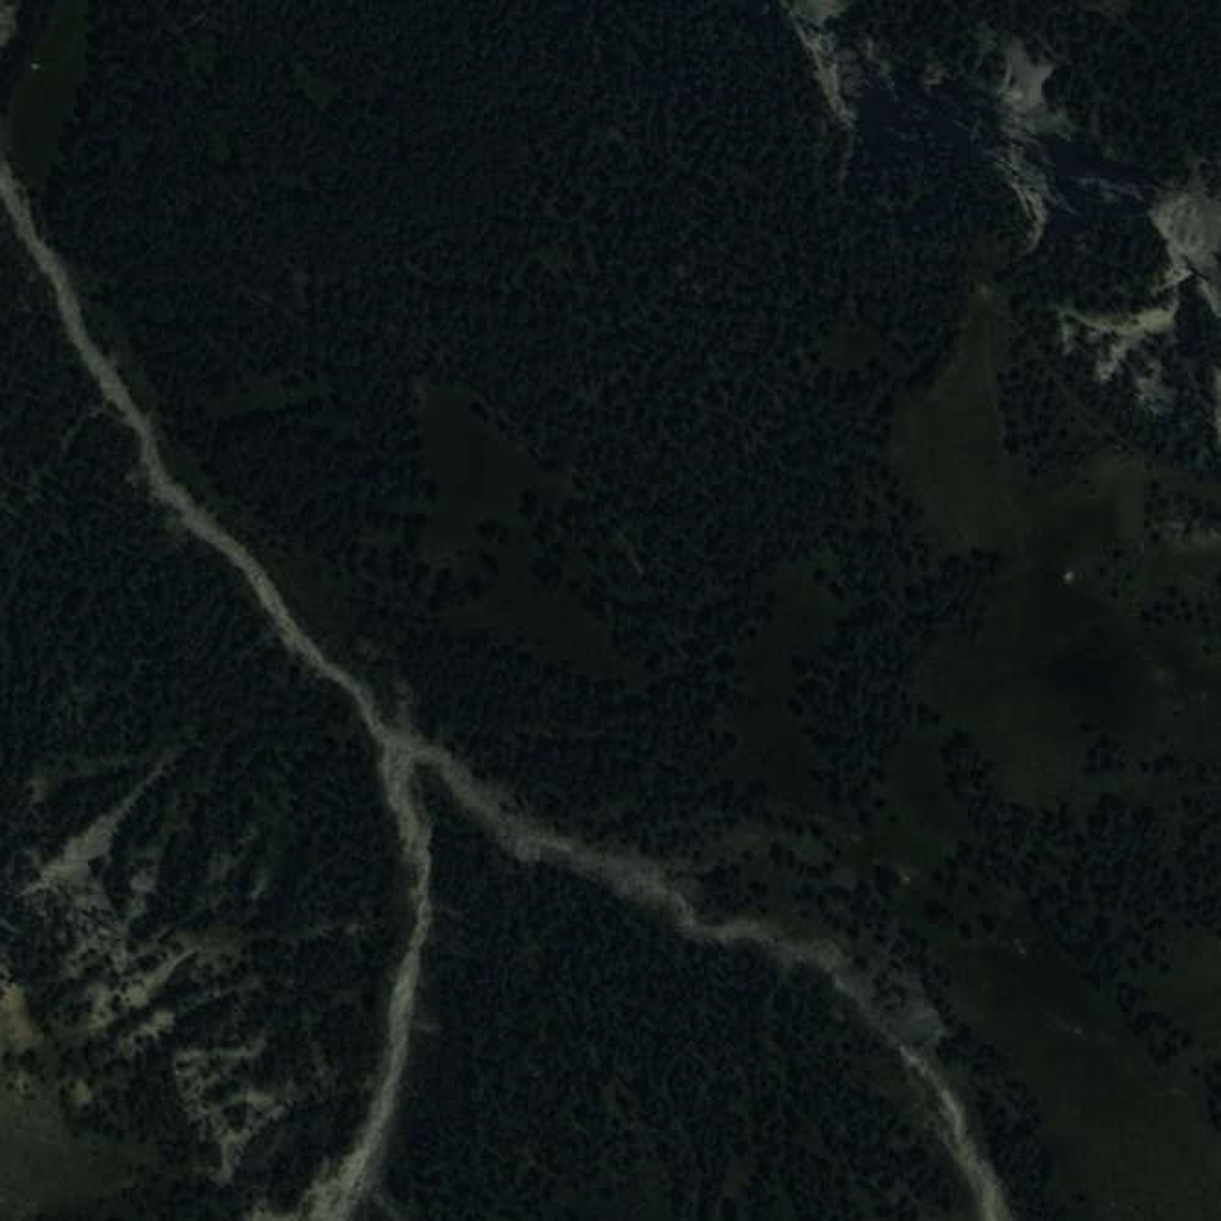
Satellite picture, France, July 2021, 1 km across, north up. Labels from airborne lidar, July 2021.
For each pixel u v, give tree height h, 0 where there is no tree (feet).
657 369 76
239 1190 34
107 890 26
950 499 0
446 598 47
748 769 0
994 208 59
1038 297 72
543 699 71
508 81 66
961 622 63
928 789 0
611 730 76
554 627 0
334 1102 29
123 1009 32
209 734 45
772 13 36
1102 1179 0
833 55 0
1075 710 0
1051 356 22
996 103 26
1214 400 39
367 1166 0
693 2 50
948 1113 0
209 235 87
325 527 85
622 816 0
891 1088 0
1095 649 0
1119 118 21
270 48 87
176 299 76
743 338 58
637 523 87
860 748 82
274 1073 49
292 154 76
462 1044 35
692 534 73
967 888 0
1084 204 53
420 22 95
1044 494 0
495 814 0
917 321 46
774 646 0
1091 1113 0
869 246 32
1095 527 0
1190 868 35
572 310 45
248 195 78
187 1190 40
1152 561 0
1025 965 0
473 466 0
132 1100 56
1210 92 63
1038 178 0
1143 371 32
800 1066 71
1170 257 33
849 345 0
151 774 24
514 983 58
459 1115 27
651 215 52
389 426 68
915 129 55
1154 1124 0
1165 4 93
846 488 71
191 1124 33
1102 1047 0
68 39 0
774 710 0
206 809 43
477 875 84
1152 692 0
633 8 71
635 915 24
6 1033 0
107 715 49
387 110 85
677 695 28
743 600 56
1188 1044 47
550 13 80
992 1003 0
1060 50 77
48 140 0
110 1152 0
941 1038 0
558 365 48
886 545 56
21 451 48
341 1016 60
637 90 57
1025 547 0
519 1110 72
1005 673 0
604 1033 81
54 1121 0
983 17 54
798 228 82
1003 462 0
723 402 77
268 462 86
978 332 0
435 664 73
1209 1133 0
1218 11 64
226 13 80
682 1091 66
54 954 35
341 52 73
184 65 100
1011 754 0
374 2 94
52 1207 0
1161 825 36
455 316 57
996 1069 88
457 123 69
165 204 95
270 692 49
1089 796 0
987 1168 0
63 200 88
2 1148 0
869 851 0
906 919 0
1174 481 0
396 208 69
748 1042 68
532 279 54
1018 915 0
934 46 23
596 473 61
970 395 0
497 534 62
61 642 63
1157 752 0
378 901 52
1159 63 32
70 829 69
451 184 77
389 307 67
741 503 75
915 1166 34
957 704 0
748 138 61
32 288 20
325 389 0
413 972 0
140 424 0
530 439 57
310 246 66
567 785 74
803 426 69
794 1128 49
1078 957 65
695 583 47
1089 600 0
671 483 69
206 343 70
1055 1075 0
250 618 58
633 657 74
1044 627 0
